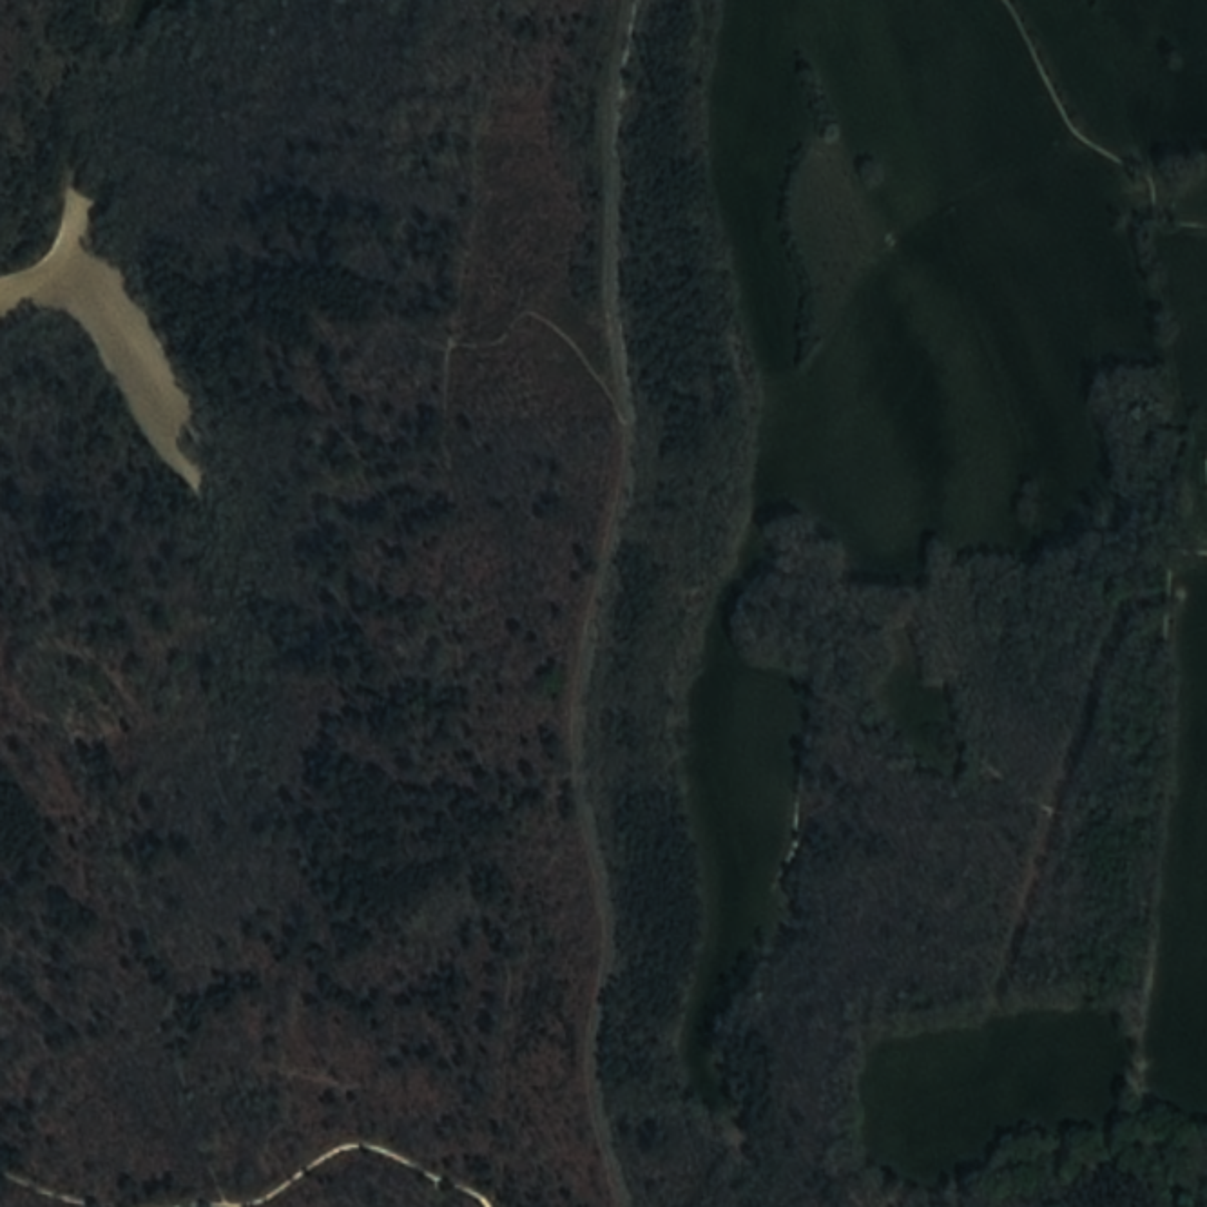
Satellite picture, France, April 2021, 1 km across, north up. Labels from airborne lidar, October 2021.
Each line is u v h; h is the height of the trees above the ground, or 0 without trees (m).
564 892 6
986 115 0
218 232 18
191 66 21
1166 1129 26
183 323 25
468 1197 6
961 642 24
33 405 21
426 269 23
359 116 18
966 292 0
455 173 8
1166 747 20
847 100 0
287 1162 10
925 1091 0
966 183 0
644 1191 14
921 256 0
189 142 14
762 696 0
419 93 9
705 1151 18
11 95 12
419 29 21
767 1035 18
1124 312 0
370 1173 11
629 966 13
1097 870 20
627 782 16
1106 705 28
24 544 13
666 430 13
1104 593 25
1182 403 0
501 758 7
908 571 0
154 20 18
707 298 15
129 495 23
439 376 15
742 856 0
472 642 16
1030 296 0
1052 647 24
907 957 19
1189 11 0
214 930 13
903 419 0
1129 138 0
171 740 8
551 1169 9
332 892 19
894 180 0
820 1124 16
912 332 0
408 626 15
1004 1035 0
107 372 16
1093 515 18
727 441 18
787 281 0
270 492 22
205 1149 15
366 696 14
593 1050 0
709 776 0
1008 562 22
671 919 19
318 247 12
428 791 7
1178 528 20
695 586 22
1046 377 0
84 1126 6
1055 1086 0
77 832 8
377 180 13
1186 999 0
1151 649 17
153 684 14
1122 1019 18
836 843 16
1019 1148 23
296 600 16
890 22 0
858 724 17
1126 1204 21
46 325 20
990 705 19
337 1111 20
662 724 21
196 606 14
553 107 8
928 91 0
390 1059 14
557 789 12
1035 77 0
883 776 15
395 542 9
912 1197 17
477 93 17
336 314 25
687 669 22
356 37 22
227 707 16
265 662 15
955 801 15
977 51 0
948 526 0
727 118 0
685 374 14
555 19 9
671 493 13
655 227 14
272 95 13
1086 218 0
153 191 16
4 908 27
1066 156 0
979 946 19
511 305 7
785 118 0
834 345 0
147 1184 6
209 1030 6
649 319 17
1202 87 0
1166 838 13
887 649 21
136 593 18
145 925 6
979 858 15
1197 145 0
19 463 14
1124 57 0
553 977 5
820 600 23
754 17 0
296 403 20
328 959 16
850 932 13
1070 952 18
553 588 7
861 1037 17
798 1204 14
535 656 7
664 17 21
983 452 0
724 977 0
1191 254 0
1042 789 16
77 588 20
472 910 11
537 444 12
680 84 17
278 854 9
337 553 22
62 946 12
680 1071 25
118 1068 10
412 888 17
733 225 0
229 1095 9
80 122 25
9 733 6
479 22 14
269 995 7
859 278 0
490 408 8
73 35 17
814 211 0
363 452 23
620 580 16
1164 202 0
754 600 23
